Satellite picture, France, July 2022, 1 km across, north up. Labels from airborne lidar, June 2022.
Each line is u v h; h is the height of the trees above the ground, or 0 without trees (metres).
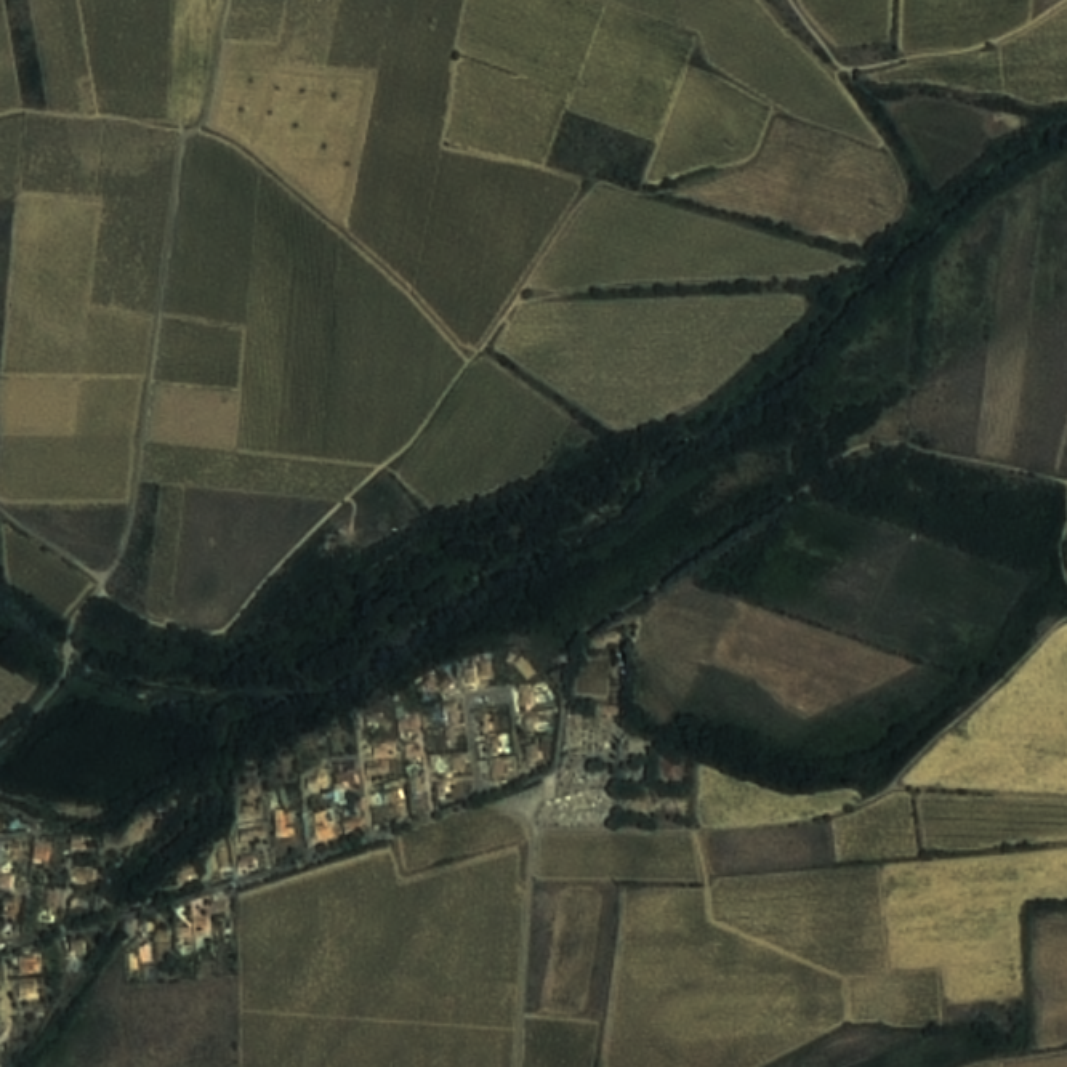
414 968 0
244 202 0
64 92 0
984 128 0
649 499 13
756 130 0
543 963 0
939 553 0
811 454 8
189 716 10
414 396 0
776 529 11
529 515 22
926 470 6
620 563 6
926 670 0
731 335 0
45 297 0
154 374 0
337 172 0
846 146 0
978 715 0
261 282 0
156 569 0
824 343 9
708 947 0
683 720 16
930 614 0
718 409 7
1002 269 0
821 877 0
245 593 0
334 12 0
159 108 0
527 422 0
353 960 0
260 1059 0
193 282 0
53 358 0
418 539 15
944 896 0
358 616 12
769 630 0
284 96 0
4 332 0
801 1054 0
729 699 0
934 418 0
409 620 26
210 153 0
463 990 0
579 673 15
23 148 0
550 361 0
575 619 6
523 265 0
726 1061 0
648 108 0
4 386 0
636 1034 0
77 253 0
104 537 0
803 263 0
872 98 6
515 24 0
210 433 0
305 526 0
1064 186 0
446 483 0
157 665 6
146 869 15
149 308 0
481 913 0
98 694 7
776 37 0
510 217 0
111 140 0
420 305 0
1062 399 0
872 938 0
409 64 0
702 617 0
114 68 0
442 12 0
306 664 12
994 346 0
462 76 0
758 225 9
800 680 0
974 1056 0
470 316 0
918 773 0
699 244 0
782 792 9
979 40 0
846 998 0
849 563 0
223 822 6
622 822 11
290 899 0
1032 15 0
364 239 0
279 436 0
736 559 7
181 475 0
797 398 11
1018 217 0
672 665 0
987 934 0
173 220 0
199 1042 0
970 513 8
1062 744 0
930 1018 0
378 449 0
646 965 0
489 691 0
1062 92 0
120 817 11
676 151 0
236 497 0
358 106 0
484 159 0
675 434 10
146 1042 0
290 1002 0
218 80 0
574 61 0
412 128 0
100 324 0
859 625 0
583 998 0
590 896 0
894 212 0
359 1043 0
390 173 0
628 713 17
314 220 0
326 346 0
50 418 0
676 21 0
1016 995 0
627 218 0
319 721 11
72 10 0
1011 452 0
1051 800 0
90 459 0
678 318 0
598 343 0
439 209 0
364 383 0
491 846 0
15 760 6
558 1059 0
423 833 0
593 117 0
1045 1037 0
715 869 0
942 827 0
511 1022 0
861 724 0
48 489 0
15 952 8
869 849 0
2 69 0
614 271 0
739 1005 0
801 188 0
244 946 0
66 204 0
